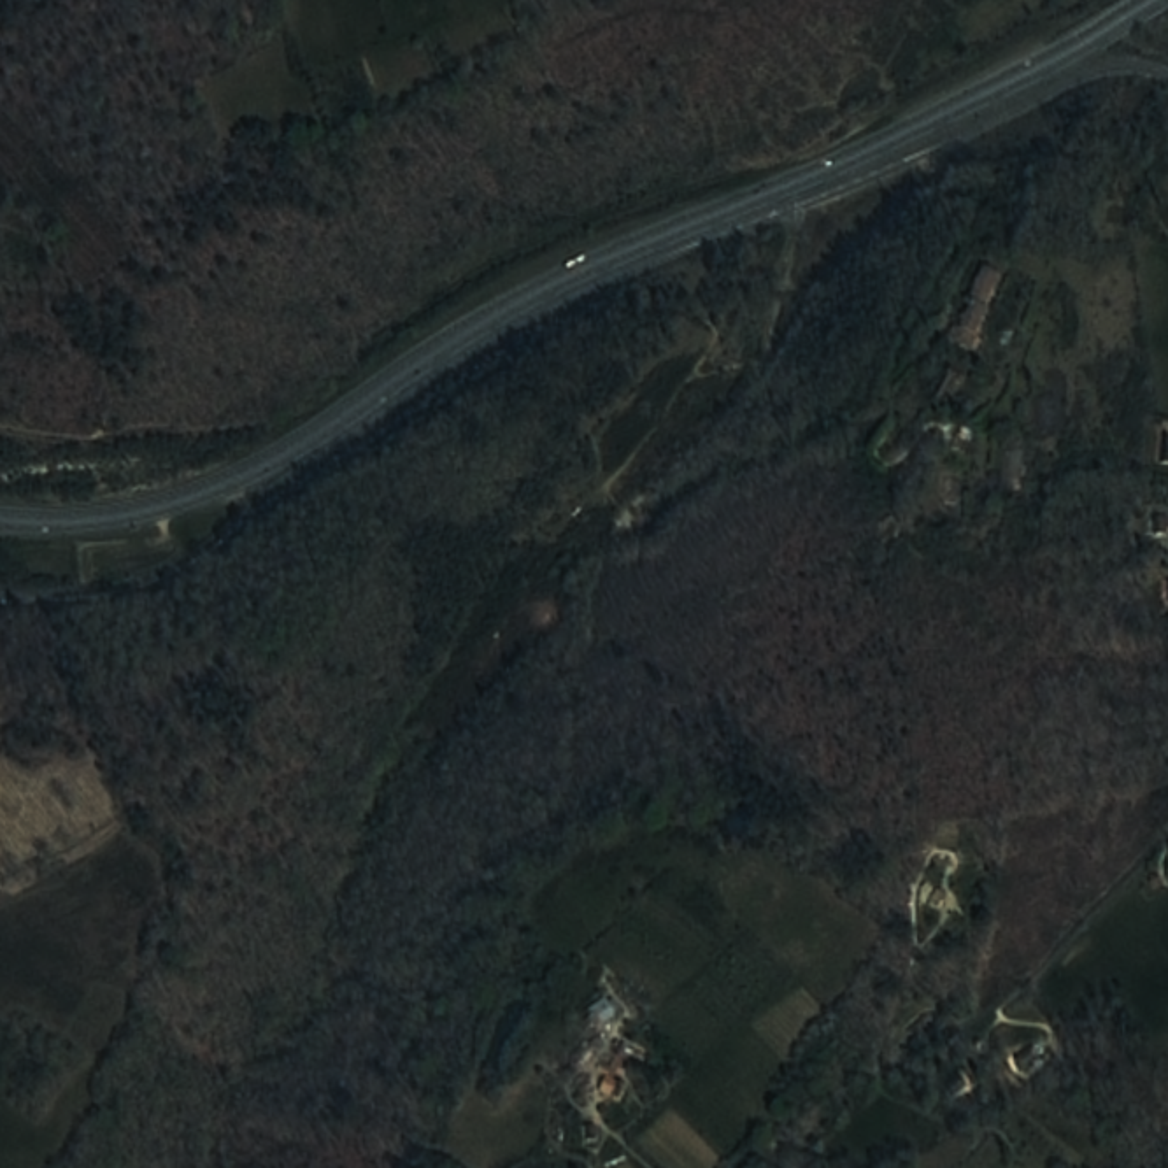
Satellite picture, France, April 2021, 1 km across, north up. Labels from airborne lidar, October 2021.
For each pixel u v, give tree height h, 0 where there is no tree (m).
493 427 18
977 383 5
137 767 16
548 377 19
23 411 8
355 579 17
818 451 24
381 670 16
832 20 9
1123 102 6
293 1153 7
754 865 0
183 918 19
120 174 12
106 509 0
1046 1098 21
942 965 20
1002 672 8
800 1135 14
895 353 14
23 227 15
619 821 23
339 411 0
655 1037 6
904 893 19
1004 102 0
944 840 0
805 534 6
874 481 9
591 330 21
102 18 8
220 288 15
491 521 18
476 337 0
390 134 19
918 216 13
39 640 15
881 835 13
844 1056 23
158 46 7
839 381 24
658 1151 0
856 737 10
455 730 6
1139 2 0
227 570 21
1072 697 15
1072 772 16
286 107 0
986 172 21
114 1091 15
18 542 6
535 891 14
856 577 9
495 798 19
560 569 8
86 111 15
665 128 14
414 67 0
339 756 22
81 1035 0
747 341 18
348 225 12
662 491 16
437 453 18
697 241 0
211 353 11
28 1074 14
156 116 14
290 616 24
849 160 0
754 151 14
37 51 10
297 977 31
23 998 0
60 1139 0
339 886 29
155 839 16
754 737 13
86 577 0
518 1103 0
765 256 18
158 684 23
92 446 7
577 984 0
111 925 0
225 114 0
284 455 0
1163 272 0
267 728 14
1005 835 19
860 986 21
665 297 10
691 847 0
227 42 18
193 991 19
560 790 21
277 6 21
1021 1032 0
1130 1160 23
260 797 19
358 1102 15
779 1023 0
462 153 16
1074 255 16
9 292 18
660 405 5
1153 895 0
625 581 11
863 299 21
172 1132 21
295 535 23
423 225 15
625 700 14
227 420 14
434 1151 16
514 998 8
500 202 12
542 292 0
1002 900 11
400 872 25
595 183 20
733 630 9
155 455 11
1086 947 0
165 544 0
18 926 0
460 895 17
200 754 20
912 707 9
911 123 0
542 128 18
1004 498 11
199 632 20
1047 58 0
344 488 24
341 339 15
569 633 16
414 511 15
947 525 9
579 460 14
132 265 8
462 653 6
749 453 20
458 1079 17
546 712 16
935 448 18
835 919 0
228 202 21
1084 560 22
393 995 17
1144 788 17
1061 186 17
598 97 10
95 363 13
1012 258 11
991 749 9
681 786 23
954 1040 17
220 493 0
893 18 6
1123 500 23
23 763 8
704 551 12
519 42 17
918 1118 7
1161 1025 0
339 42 0
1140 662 7
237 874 16
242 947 24
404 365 0
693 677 9
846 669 7
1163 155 12
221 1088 25
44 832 0
